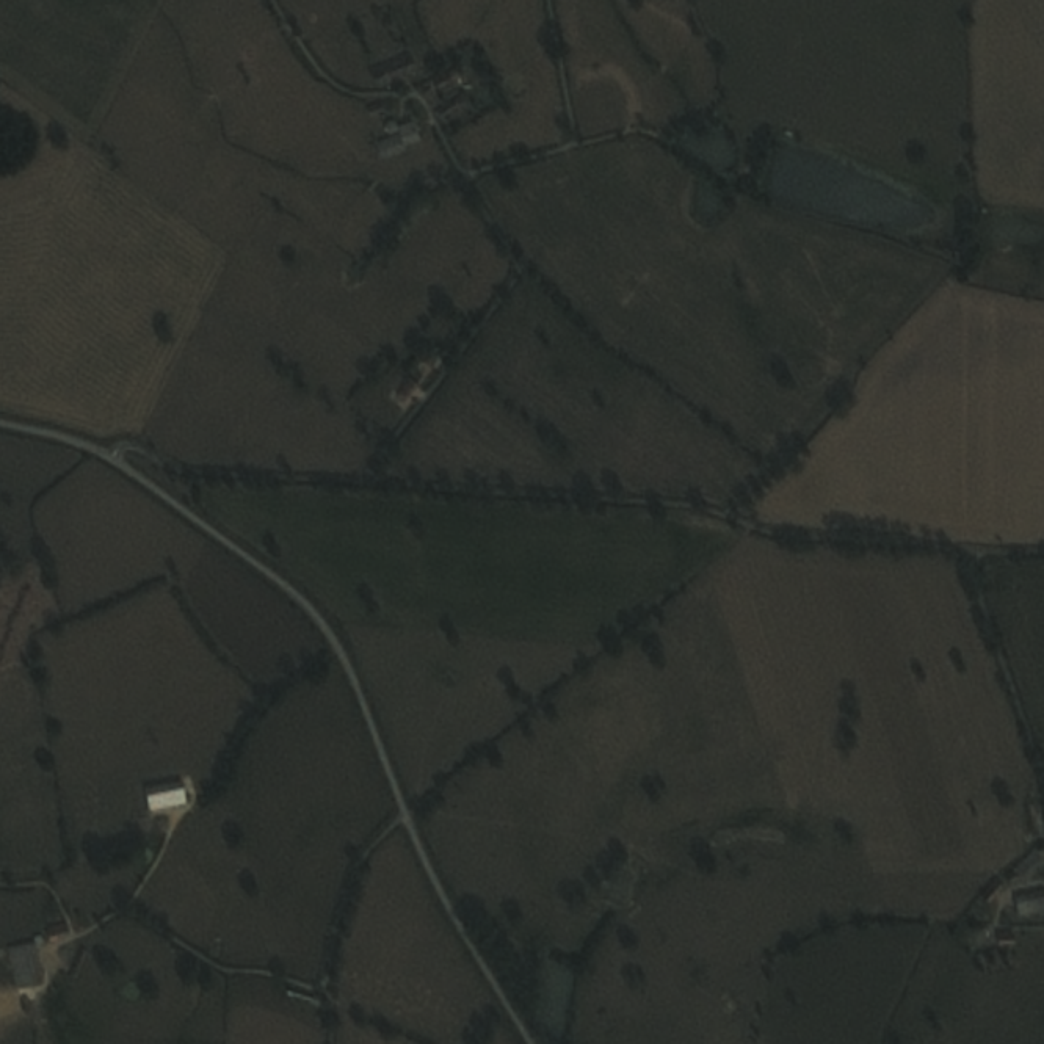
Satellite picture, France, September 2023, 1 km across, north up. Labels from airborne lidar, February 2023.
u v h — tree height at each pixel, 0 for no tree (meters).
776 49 0
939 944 0
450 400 0
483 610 0
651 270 0
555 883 0
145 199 0
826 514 0
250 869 0
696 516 0
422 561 0
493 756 19
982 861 0
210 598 0
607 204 0
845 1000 0
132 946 0
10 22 0
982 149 0
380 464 13
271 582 0
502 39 0
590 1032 0
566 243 0
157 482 0
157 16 0
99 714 0
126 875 0
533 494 14
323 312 0
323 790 0
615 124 0
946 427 0
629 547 0
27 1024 0
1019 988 0
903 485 0
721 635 0
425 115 0
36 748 0
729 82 0
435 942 0
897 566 0
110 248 0
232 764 11
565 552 0
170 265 0
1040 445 0
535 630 0
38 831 0
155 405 0
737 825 0
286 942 0
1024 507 0
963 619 0
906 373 0
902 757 0
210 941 0
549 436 16
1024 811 0
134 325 0
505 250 16
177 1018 0
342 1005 0
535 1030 23
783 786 0
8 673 0
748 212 0
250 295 0
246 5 0
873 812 0
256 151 0
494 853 0
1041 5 0
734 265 0
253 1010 0
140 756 0
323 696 0
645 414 0
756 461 8
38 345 0
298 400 0
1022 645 0
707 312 0
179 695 0
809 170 0
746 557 0
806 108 0
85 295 0
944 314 0
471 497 16
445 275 0
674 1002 0
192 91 0
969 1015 0
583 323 8
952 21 0
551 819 0
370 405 0
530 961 17
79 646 0
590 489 20
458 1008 0
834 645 0
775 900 0
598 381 0
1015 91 0
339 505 0
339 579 0
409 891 0
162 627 0
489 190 0
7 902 0
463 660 0
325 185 0
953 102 0
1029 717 0
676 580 0
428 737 0
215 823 0
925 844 0
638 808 0
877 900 0
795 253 0
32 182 0
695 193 0
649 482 0
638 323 0
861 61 0
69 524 0
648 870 0
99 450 0
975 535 0
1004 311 0
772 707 0
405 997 0
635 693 0
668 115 0
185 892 0
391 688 0
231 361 0
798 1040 0
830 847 0
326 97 0
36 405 0
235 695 0
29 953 0
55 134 16
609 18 0
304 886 0
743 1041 0
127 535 0
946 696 0
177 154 0
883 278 0
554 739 0
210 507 0
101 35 0
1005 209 0
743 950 0
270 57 0
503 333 0
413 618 0
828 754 0
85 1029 0
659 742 0
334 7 0
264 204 0
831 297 0
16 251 0
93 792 0
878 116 0
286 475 17
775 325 0
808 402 0
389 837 0
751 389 0
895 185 0
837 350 0
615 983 0
